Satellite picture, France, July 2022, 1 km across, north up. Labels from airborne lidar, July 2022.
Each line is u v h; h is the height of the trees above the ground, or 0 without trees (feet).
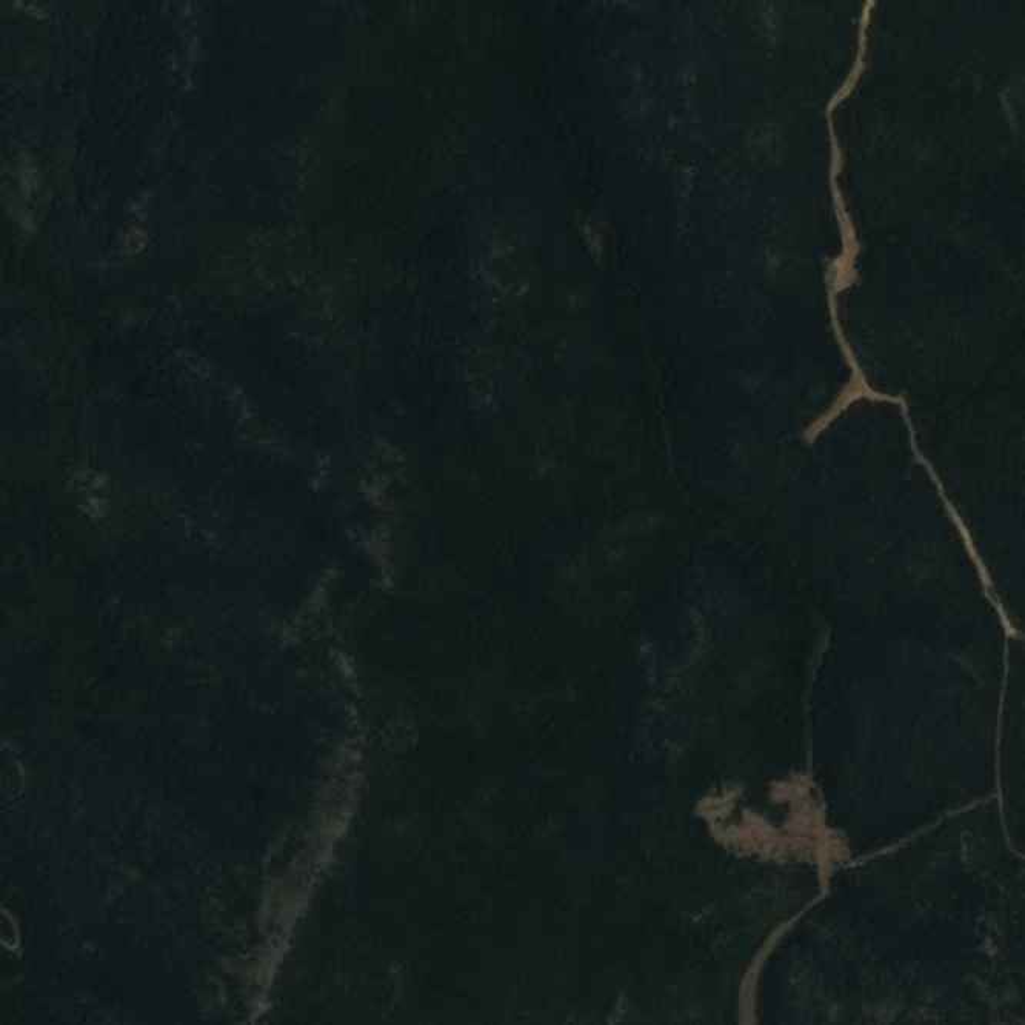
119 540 22
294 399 20
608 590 18
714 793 24
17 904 21
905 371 23
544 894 22
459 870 23
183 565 19
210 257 21
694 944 35
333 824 0
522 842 23
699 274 18
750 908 21
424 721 28
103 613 28
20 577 24
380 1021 18
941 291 23
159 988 21
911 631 18
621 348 24
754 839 0
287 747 25
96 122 37
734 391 18
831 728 21
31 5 22
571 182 44
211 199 20
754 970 0
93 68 33
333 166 26
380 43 21
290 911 0
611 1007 18
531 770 21
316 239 23
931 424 19
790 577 23
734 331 17
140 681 29
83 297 35
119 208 22
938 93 28
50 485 23
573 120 31
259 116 17
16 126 18
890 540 20
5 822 20
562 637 25
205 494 20
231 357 20
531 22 29
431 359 36
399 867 21
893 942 21
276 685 18
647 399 35
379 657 20
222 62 22
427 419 23
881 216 24
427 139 20
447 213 31
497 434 18
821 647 0
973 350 20
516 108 28
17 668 22
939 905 21
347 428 19
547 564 19
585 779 23
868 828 18
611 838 22
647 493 20
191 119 18
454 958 21
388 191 28
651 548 20
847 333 18
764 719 27
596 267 27
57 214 24
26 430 20
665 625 22
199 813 19
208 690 18
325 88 17
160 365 33
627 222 27
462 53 31
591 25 30
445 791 26
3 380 23
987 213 18
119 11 34
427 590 20
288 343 18
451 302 18
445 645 20
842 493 18
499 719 22
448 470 17
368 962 19
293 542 21
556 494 46
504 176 24
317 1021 26
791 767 35
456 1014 19
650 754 19
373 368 23
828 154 21
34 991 26
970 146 27
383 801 19
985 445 22
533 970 18
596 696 26
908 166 22
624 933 26
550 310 20
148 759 26
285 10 23
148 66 19
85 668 23
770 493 20
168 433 28
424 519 24
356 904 24
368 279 24
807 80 18
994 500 21
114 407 21
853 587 20
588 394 25
